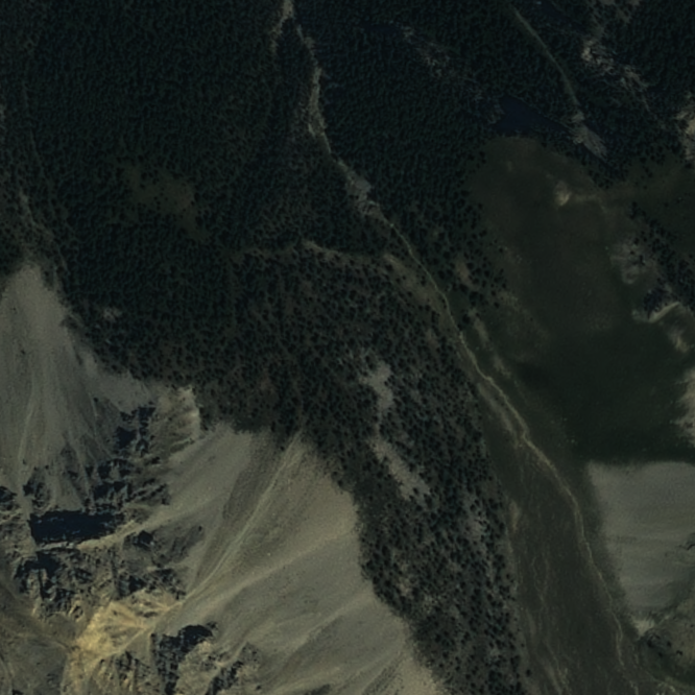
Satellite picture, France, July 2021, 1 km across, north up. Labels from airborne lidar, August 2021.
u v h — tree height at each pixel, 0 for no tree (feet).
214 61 31
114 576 0
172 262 43
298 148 29
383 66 50
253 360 38
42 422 0
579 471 0
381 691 0
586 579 0
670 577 0
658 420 0
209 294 55
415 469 33
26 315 0
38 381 0
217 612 0
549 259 0
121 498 0
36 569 0
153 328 50
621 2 47
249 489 0
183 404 0
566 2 52
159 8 48
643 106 58
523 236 0
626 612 0
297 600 0
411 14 26
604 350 0
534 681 0
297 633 0
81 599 0
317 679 0
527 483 0
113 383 0
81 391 0
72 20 54
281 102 58
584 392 0
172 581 0
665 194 0
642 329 0
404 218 30
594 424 0
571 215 0
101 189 55
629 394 0
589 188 0
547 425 0
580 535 0
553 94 37
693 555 0
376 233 43
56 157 50
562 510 0
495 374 0
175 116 53
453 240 29
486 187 0
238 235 51
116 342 35
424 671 0
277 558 0
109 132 54
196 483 0
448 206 38
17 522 0
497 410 0
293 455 0
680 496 0
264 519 0
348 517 0
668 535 0
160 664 0
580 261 0
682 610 0
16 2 36
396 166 31
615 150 35
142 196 0
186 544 0
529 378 0
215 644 0
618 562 0
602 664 0
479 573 36
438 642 34
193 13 69
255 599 0
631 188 0
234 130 52
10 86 37
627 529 0
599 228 0
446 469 31
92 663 0
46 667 0
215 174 66
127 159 38
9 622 0
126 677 0
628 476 0
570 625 0
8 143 34
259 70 65
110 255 55
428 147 53
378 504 0
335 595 0
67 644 0
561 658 0
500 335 0
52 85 45
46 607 0
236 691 0
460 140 59
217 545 0
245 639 0
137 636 0
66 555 0
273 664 0
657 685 0
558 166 0
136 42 75
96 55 72
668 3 51
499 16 51
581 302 0
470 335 0
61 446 0
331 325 20
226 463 0
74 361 0
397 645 0
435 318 33
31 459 0
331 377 24
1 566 0
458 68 34
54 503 0
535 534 0
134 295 50
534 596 0
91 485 0
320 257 31
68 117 40
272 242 41
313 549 0
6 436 0
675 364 0
